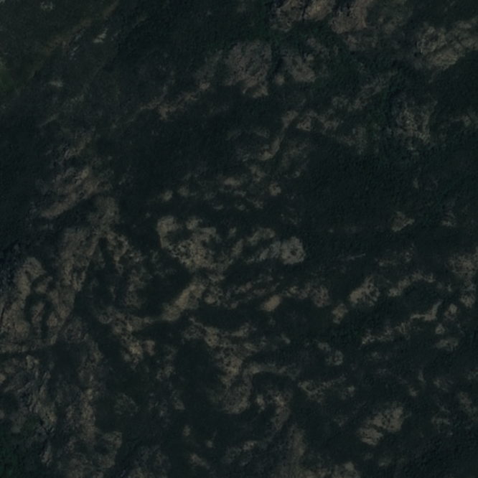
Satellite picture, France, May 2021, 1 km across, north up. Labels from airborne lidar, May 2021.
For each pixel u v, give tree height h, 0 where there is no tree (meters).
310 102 7
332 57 7
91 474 5
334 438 7
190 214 6
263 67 7
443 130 7
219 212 5
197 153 8
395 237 9
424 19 7
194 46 7
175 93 7
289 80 10
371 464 7
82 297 6
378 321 11
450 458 8
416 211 7
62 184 0
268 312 6
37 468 15
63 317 0
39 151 8
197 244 0
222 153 8
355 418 6
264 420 7
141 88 7
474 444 11
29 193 7
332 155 8
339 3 9
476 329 7
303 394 6
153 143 6
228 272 6
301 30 9
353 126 6
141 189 6
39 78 6
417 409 12
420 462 9
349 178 13
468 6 7
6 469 19
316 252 6
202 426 6
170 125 7
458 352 7
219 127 10
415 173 9
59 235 8
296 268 12
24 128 6
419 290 8
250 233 7
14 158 8
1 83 0
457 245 6
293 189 7
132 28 6
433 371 6
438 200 15
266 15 9
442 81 9
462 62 6
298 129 7
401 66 16
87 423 0
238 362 0
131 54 8
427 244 8
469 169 8
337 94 7
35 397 0
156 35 9
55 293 0
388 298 8
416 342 6
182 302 0
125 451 7
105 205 0
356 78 11
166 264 5
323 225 7
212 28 7
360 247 13
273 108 6
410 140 7
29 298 8
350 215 7
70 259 0
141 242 7
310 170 6
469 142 9
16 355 6
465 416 16
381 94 9
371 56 6
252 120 6
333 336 9
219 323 7
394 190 10
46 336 6
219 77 6
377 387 7
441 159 7
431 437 10
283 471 0
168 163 6
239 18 6
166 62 8
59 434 6
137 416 5
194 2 6
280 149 7
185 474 5
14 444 10
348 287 7
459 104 12
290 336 6
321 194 8
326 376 10
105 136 6
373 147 8
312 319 6
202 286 0
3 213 7
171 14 10
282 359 8
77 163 6
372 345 7
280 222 7
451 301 7
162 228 0
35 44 7
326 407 6
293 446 0
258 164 7
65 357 6
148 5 9
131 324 0
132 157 6
